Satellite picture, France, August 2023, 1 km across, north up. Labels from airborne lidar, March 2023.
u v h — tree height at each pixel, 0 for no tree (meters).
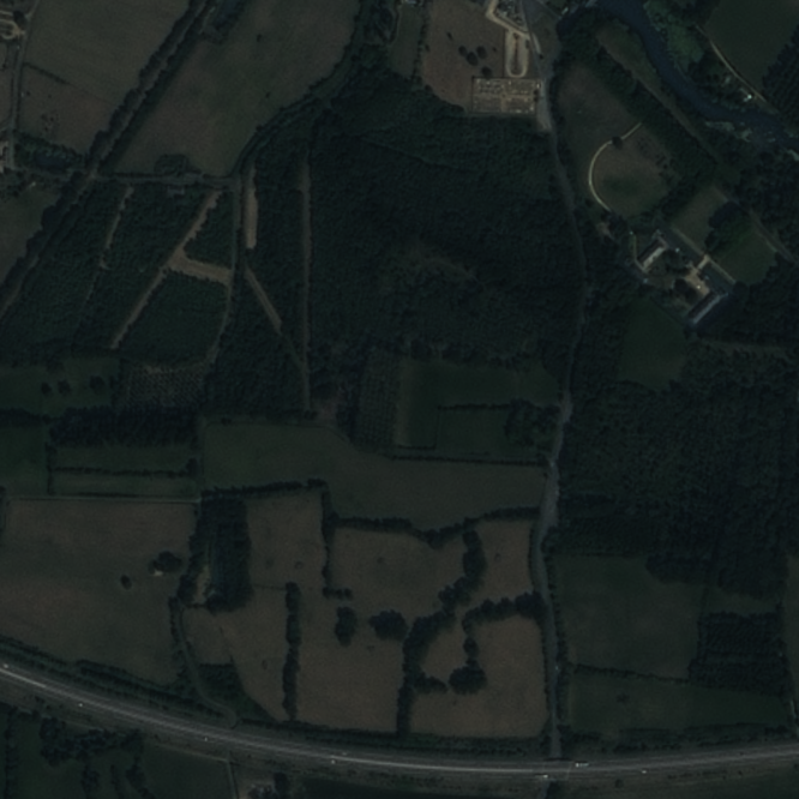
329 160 15
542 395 0
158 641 0
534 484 0
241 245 10
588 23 22
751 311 14
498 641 0
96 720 0
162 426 25
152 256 10
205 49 0
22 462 0
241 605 11
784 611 10
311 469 0
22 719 8
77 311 10
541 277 19
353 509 0
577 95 0
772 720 0
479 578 19
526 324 14
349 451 0
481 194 16
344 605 0
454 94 0
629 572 0
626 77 28
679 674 0
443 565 0
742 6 0
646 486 8
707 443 9
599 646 0
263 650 0
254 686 0
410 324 10
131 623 0
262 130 10
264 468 0
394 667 0
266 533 0
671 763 0
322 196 8
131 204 11
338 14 0
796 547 25
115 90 0
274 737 0
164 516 0
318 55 0
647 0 0
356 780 0
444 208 20
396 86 10
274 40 0
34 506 0
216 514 20
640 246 0
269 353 17
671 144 29
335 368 18
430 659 0
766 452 13
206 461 0
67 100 0
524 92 0
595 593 0
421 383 0
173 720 0
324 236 13
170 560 17
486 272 25
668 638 0
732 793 0
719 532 9
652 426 10
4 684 0
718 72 0
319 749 0
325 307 18
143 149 0
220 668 6
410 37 0
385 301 10
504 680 0
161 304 13
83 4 0
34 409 0
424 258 26
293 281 17
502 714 0
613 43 0
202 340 11
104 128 0
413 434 0
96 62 0
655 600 0
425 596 0
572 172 6
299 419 20
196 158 0
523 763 0
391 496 0
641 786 0
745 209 13
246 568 15
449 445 0
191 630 0
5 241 0
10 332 11
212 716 10
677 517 10
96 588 0
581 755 0
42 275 10
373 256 15
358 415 30
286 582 0
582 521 13
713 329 22
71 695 0
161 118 0
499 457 0
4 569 0
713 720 0
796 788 0
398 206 20
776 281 9
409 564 0
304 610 0
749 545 29
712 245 13
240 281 11
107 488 0
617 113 0
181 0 0
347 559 0
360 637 0
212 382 14
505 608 14
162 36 0
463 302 20
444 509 0
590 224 16
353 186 14
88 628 0
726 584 22
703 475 12
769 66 0
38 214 0
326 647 0
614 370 8
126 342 10
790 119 22
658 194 0
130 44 0
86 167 13
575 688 0
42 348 11
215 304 7
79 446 32
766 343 22
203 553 10
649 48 0
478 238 14
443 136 9
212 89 0
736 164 21
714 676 9
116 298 10
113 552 0
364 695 0
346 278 15
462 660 0
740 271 0
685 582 18
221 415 7
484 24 0
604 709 0
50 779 0
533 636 0
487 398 0
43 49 0
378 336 11
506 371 15
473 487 0
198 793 0
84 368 0
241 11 7
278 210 15
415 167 14
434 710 0
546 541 8
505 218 17
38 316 6
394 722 0
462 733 0
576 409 9
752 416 16
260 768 0
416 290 11
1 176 11
